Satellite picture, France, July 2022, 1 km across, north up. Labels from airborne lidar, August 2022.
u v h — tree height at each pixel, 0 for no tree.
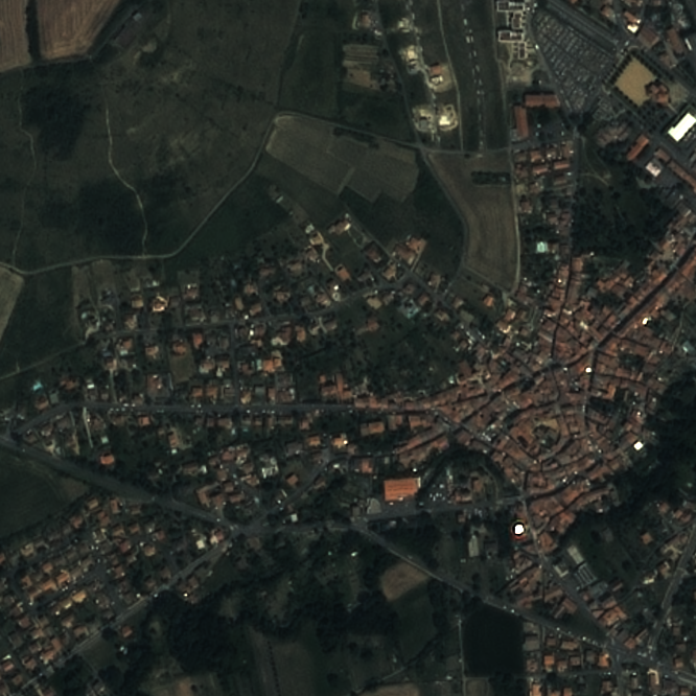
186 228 0
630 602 0
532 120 6
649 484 14
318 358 6
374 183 0
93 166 0
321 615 13
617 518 16
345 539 14
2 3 0
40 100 9
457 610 6
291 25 0
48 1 0
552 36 0
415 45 0
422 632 0
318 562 10
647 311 0
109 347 6
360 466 0
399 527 12
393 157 0
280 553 11
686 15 7
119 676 21
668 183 0
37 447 0
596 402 13
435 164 0
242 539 10
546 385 0
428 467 6
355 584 0
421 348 5
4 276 0
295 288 7
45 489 0
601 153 9
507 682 15
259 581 12
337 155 0
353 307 0
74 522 0
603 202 19
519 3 0
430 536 20
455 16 0
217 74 0
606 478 6
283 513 7
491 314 0
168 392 0
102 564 0
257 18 0
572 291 0
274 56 0
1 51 0
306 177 0
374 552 7
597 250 9
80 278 0
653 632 14
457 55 0
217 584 0
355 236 0
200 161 0
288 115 0
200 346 7
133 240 6
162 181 6
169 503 0
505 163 0
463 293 0
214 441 9
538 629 0
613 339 0
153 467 10
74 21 0
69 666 11
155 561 0
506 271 0
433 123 0
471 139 0
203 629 18
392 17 0
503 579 0
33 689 9
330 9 8
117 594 0
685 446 9
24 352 5
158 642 0
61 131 9
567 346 0
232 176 0
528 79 0
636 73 0
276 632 10
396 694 0
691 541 0
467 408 0
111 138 0
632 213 0
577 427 0
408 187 0
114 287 0
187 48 0
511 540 11
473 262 0
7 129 0
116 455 10
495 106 0
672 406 9
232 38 0
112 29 0
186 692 0
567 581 0
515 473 0
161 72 0
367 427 0
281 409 0
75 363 6
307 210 0
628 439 0
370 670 0
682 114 6
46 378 0
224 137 0
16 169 0
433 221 0
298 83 0
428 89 0
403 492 0
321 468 0
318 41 0
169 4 0
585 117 9
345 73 8
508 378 0
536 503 0
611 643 0
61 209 8
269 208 6
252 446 9
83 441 9
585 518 16
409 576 0
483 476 10
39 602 8
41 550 9
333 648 15
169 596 10
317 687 0
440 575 0
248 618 17
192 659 26
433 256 0
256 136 0
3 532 0
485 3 0
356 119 0
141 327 9
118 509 6
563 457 0
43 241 0
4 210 0
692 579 7
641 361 10
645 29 0
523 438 0
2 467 0
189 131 0
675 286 0
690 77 5
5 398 0
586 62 0
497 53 0
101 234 7
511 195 0
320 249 10
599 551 0
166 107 0
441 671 0
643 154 12
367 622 21
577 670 10
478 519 14
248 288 0
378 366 6
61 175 0
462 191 0
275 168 0
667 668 0
